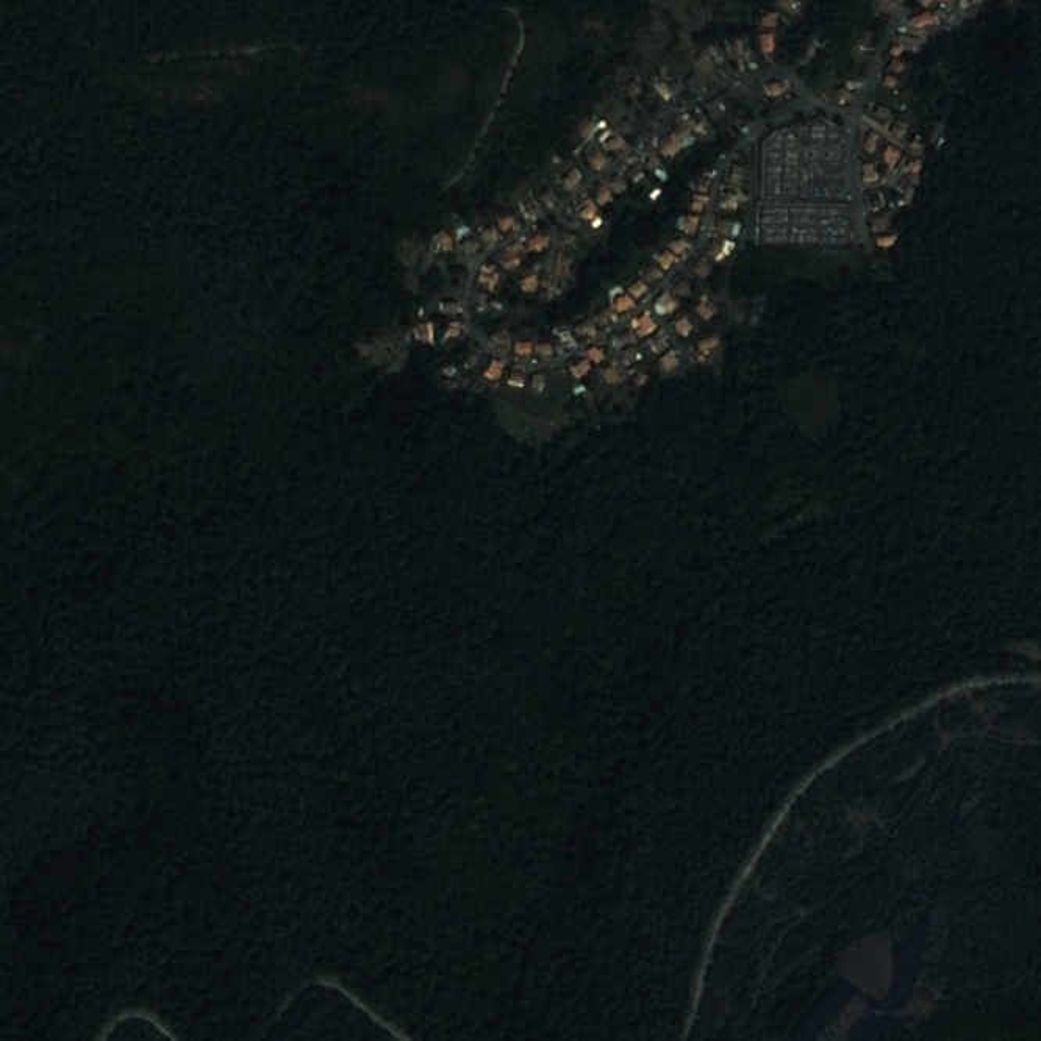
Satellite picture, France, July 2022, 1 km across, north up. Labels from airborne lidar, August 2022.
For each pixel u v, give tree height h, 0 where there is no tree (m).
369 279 18
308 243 31
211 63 7
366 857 22
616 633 22
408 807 19
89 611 18
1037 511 12
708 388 20
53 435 9
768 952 8
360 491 24
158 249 19
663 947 20
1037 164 17
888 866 9
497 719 20
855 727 15
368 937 18
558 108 15
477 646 19
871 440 18
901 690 20
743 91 0
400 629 18
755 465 20
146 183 11
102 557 27
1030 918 10
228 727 29
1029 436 18
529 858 30
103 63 17
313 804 18
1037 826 16
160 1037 15
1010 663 12
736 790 17
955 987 9
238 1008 28
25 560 23
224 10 6
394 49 11
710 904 14
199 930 36
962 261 20
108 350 22
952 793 10
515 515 24
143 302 20
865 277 6
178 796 32
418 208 16
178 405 13
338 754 23
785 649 20
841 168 0
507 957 20
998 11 8
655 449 19
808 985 10
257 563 27
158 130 20
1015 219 16
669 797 27
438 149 9
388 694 18
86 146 20
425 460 19
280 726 23
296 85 12
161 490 29
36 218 23
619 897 29
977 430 21
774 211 0
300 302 21
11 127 17
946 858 7
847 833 7
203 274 12
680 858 13
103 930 28
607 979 24
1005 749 7
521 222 6
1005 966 11
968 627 21
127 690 22
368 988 24
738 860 10
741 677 21
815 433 0
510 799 11
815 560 17
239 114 11
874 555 14
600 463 15
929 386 24
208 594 25
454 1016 19
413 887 19
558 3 10
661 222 15
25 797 28
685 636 32
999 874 10
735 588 24
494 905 17
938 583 24
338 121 10
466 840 22
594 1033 22
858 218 0
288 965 24
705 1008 8
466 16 11
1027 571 13
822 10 12
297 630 26
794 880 7
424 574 13
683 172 11
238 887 23
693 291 8
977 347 9
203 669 30
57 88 16
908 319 21
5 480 22
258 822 16
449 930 24
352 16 19
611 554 15
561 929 26
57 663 28
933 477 20
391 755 17
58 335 17
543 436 0
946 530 13
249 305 20
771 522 14
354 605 21
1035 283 18
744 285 7
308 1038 19
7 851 34
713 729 21
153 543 25
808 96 0
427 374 9
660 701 25
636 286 0
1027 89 12
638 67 6
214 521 26
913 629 24
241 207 13
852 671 17
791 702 19
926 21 0
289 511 24
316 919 19
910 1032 9
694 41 10
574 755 18
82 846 32
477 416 19
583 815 23
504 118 8
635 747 31
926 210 21
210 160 18
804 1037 0
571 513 20
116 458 13
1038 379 15
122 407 19
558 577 16
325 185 11
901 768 6
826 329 10
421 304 10
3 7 13
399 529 20
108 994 21
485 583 22
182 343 14
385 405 19
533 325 12
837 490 9
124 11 16
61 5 12
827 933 11
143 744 25
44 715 19
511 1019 24
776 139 0
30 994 32
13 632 31
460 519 16
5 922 27
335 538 22
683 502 18
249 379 17
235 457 17
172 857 26
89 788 18
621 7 16
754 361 14
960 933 9
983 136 16
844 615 21
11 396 18
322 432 26
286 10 13
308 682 16
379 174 21
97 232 19
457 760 16
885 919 10
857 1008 0
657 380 6
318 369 25
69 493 21
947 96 8
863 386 18
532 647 19
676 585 25
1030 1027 8
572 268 8
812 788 8
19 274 11
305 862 16
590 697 26
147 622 18
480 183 10
